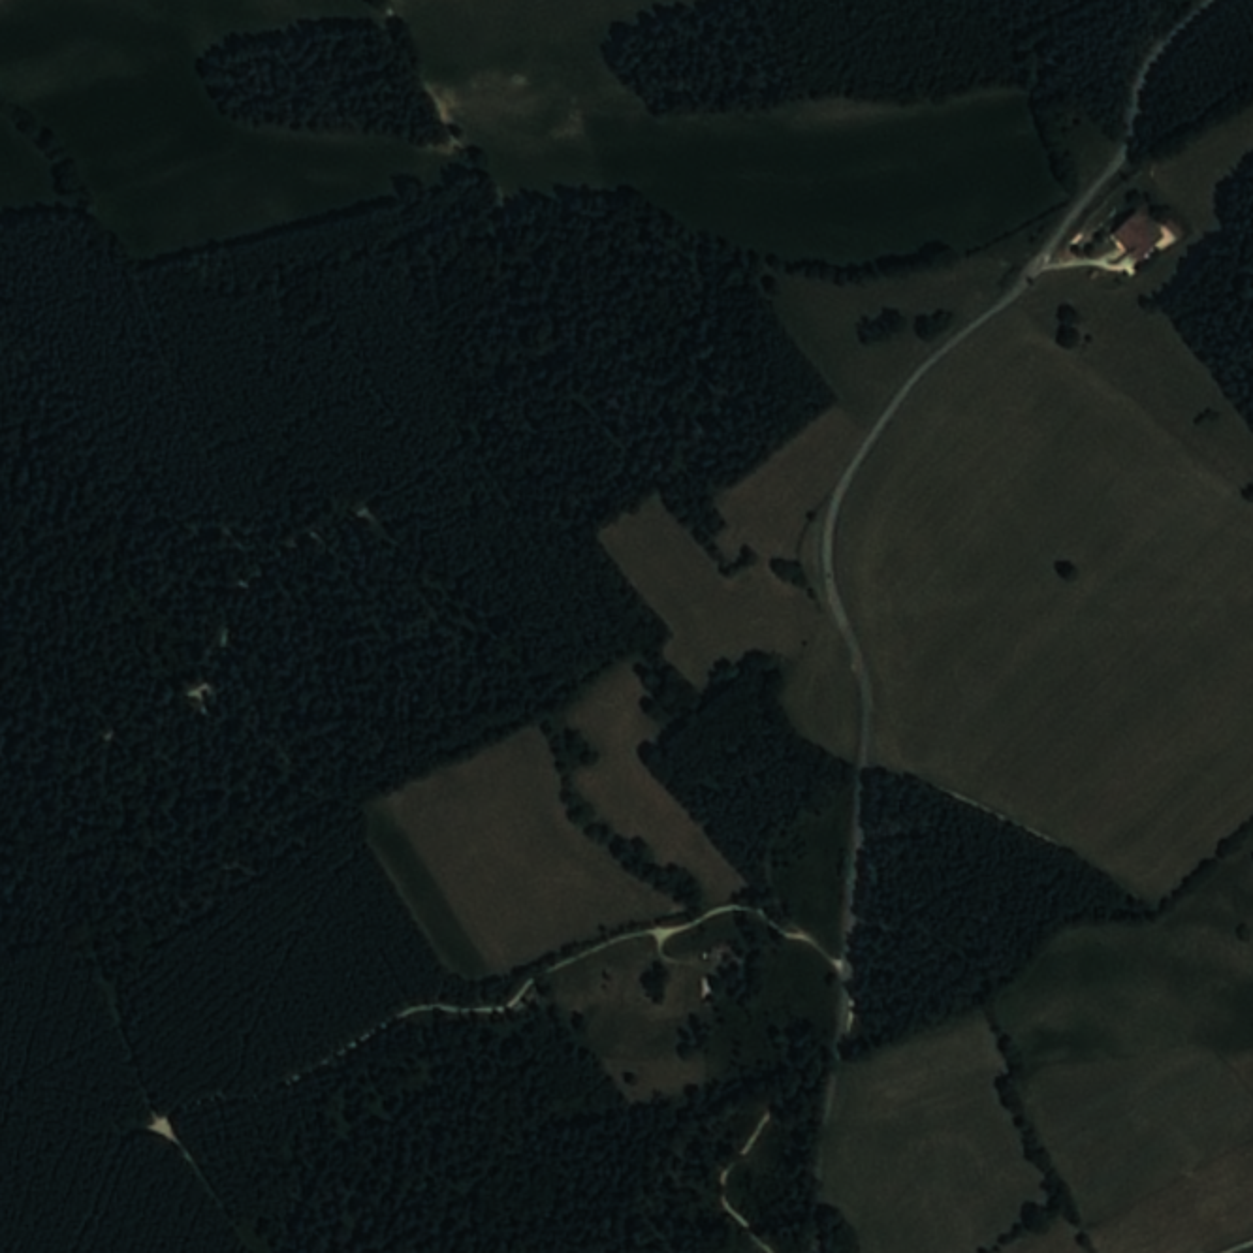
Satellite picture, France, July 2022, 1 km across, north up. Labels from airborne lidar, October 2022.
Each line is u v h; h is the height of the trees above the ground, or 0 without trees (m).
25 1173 21
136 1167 20
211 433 17
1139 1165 0
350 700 31
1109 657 0
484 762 0
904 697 0
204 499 26
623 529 0
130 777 16
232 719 8
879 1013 26
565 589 18
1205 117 17
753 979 19
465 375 19
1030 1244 0
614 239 21
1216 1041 0
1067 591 0
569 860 0
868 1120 0
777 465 0
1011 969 18
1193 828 0
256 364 21
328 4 0
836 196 0
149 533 29
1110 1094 0
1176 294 22
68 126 0
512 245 26
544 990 17
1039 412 0
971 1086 0
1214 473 0
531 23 0
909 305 0
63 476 23
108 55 0
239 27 0
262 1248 0
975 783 0
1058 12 15
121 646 14
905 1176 0
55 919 24
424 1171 25
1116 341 0
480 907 0
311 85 29
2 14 0
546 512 31
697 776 20
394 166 0
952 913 15
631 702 0
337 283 19
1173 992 0
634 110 0
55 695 26
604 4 0
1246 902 0
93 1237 16
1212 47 18
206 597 20
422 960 17
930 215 0
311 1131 19
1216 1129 0
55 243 28
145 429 27
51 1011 19
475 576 22
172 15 0
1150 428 0
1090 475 0
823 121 0
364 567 30
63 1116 21
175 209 0
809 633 0
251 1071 15
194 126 0
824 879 0
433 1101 18
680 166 0
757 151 0
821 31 8
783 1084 25
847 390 0
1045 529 0
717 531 16
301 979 16
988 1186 0
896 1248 0
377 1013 15
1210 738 0
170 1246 18
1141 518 0
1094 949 0
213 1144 15
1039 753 0
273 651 17
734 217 0
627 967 0
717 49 23
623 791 0
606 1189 22
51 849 22
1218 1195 0
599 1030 0
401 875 0
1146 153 17
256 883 16
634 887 0
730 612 0
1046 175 0
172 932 12
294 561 23
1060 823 0
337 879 15
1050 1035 0
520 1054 22
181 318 20
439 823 0
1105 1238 0
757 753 20
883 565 0
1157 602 0
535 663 24
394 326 20
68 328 28
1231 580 0
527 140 0
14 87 0
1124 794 0
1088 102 23
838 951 0
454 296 24
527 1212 16
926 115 0
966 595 0
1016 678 0
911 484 0
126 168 0
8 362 32
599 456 33
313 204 0
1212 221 0
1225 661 0
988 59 8
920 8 9
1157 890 0
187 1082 16
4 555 25
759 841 19
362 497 17
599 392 31
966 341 0
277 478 21
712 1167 32
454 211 23
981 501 0
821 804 18
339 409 21
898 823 24
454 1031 17
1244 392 23
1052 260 0
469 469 18
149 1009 15
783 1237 21
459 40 0
